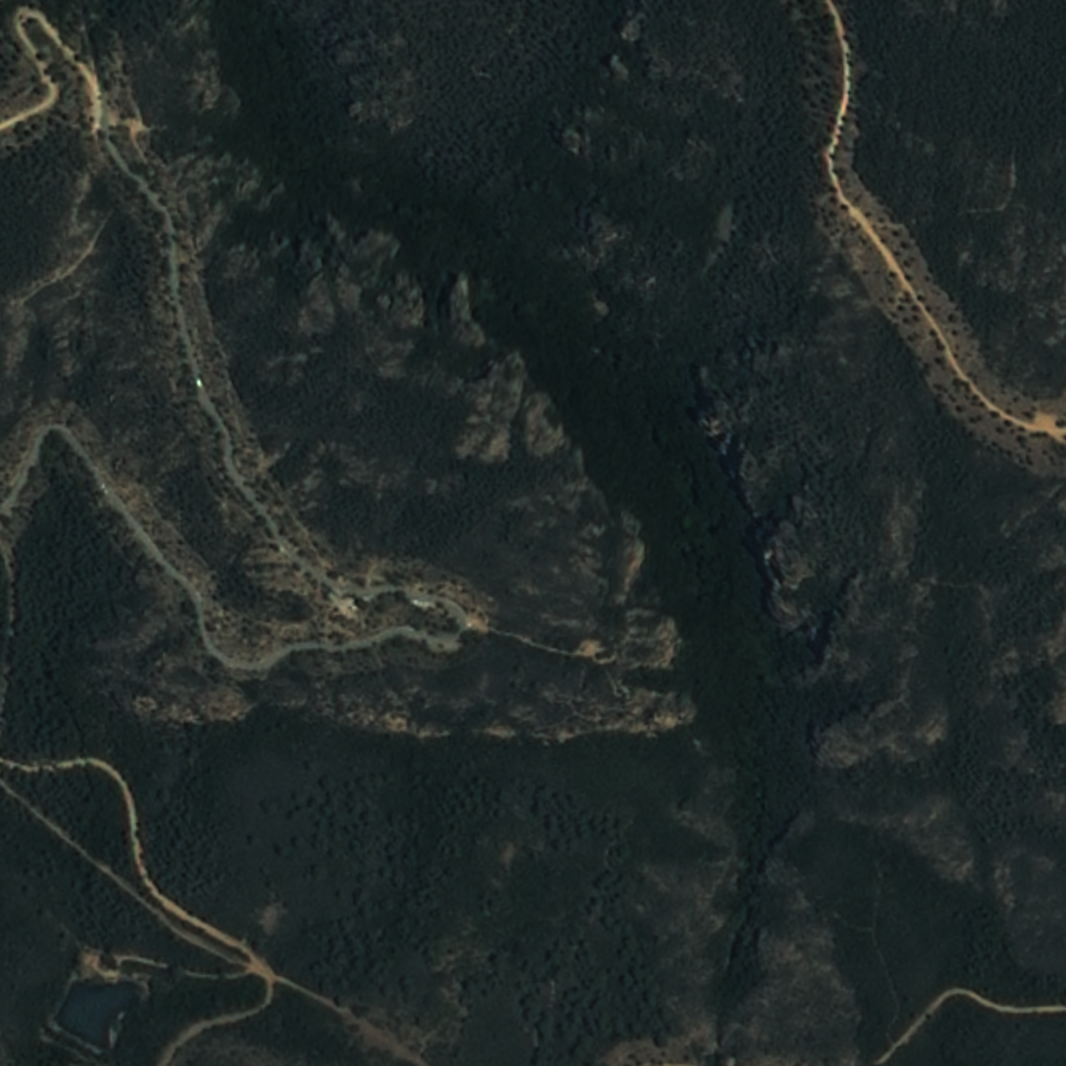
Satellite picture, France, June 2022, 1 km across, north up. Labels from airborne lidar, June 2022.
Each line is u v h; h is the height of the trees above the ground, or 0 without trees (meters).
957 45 9
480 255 15
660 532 21
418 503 8
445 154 16
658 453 16
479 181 9
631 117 12
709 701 10
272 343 10
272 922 0
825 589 11
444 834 15
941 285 10
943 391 11
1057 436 0
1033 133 14
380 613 8
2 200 14
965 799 7
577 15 17
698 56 9
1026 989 8
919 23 8
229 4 10
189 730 19
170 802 10
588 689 12
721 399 22
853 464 8
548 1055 16
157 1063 6
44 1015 6
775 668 7
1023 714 11
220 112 7
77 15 7
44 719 16
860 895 6
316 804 13
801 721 10
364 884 15
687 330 7
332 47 11
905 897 7
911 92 10
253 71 13
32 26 14
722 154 6
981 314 8
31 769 10
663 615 10
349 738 8
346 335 11
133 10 13
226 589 9
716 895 7
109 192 8
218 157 10
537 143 9
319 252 14
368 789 12
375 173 12
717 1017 11
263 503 9
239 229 11
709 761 7
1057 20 13
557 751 9
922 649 6
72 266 0
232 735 9
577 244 8
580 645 8
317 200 10
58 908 6
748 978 13
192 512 11
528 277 11
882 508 7
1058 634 0
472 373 12
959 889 8
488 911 12
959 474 9
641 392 18
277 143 14
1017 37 11
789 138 17
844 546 16
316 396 8
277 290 7
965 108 8
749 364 12
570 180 11
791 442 18
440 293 17
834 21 7
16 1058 7
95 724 9
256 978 6
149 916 11
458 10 14
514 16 16
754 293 8
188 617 8
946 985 6
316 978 6
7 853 6
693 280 10
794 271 10
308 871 8
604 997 16
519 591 0
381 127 10
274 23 15
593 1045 11
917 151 7
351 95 12
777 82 16
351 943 16
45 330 6
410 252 15
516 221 11
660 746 10
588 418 19
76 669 10
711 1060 10
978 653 10
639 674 11
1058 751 10
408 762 7
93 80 0
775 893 7
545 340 12
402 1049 0
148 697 8
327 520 8
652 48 7
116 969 6
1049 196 9
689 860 6
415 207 18
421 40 12
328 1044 6
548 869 7
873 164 9
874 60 11
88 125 9
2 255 12
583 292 12
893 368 11
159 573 6
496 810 12
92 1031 0
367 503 10
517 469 12
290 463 8
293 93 9
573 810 16
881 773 8
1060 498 9
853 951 6
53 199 8
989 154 9
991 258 8
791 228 9
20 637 17
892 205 10
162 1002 9
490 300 23
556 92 7
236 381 10
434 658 7
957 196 9
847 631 13
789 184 14
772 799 13
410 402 10
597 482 15
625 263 10
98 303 8
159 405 8
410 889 15
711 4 12
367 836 13
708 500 17
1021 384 0
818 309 5
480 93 17
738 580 14
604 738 7
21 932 6
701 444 16
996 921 12
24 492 6
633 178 11
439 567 9
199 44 9
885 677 6
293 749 7
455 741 9
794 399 9
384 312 6
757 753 13
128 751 10
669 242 7
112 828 6
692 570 15
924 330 0
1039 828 9
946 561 6
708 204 9
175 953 6
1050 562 0
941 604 6
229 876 8
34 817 8
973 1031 7
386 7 10
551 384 18
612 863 6
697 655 11
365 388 9
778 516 11
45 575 15
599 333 12
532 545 8
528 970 13
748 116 13
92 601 12
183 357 6
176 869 14
